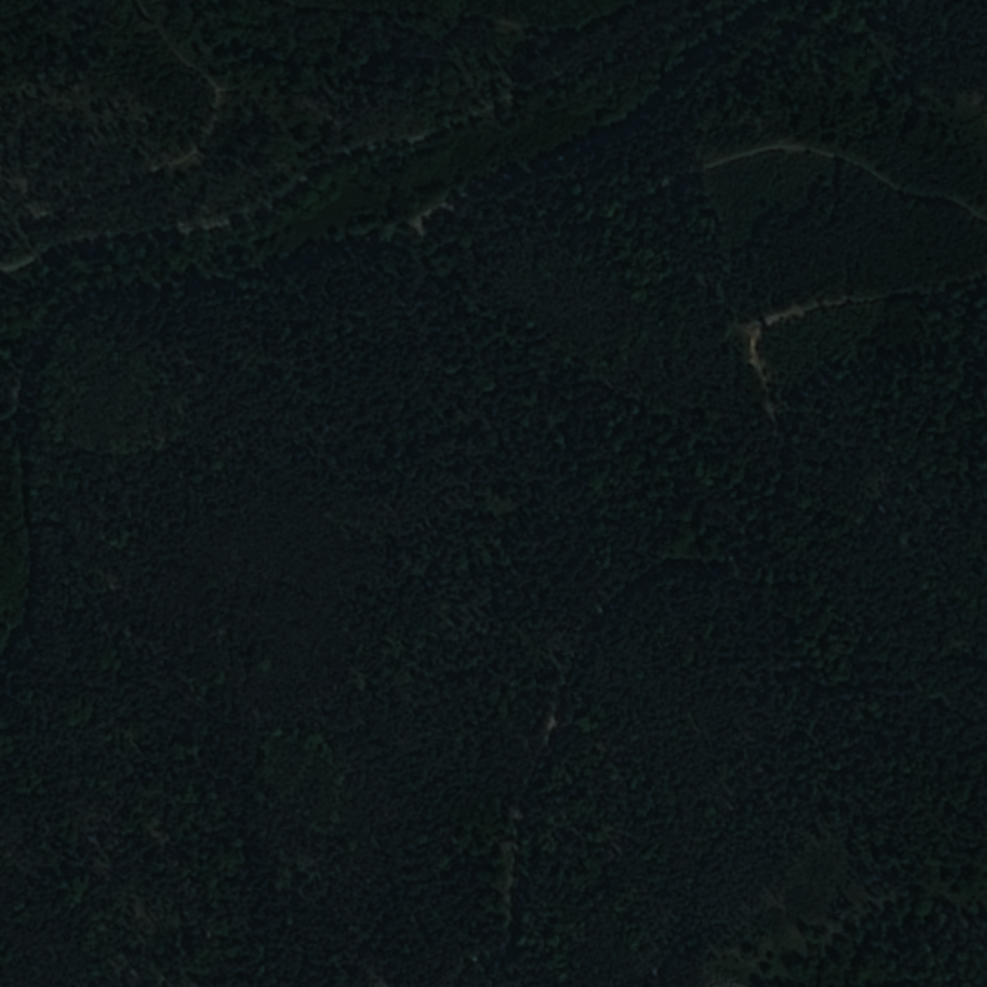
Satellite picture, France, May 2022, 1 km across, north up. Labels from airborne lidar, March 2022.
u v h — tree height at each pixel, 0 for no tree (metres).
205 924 26
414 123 21
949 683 32
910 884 10
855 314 6
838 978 15
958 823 39
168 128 16
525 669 24
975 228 15
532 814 24
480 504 22
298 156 30
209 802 32
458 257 25
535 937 24
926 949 10
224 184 19
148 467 25
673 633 25
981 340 22
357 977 28
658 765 20
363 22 31
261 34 19
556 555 26
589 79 26
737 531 20
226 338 26
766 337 9
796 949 0
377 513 23
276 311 26
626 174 29
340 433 30
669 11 33
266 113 32
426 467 26
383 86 28
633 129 30
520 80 36
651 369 24
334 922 27
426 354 29
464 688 27
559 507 27
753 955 16
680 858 22
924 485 27
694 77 28
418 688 21
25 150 27
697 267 24
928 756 33
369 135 22
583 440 31
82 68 35
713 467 34
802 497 29
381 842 18
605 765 23
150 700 27
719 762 25
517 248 27
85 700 21
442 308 26
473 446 30
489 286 25
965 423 34
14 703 27
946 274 14
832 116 10
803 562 27
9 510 18
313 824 16
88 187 27
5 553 18
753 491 29
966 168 14
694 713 24
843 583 29
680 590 25
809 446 26
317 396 29
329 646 20
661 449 31
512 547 27
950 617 27
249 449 25
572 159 32
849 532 25
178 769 31
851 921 15
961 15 30
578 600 24
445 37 34
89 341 23
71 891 24
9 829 29
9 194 29
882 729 35
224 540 20
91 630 25
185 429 23
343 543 22
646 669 19
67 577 23
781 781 22
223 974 30
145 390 14
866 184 14
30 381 33
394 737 17
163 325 29
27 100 21
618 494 24
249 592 17
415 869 26
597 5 16
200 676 21
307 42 24
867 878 27
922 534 25
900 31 32
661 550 24
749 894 21
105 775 24
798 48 33
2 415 26
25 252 10
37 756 24
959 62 28
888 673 34
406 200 23
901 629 29
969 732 30
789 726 26
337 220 0
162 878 28
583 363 22
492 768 20
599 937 18
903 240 16
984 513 30
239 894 38
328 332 26
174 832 28
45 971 20
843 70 27
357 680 17
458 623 24
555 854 26
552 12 12
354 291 25
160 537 23
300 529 18
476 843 25
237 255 30
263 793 22
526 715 21
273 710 20
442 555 29
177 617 21
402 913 28
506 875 8
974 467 33
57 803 26
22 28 36
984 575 25
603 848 24
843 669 32
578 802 24
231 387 25
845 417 27
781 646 35
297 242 0
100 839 26
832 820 31
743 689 28
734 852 18
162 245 25
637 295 29
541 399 31
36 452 27
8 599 14
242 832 31
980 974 34
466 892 30
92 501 23
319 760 23
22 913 21
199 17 28
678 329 23
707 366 23
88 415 22
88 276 32
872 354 8
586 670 22
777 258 15
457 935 23
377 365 31
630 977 17
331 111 15
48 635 25
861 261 14
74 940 17
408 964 24
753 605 34
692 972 18
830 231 15
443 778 18
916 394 36
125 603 21
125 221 25
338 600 17
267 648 16
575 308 24
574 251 28
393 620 24
